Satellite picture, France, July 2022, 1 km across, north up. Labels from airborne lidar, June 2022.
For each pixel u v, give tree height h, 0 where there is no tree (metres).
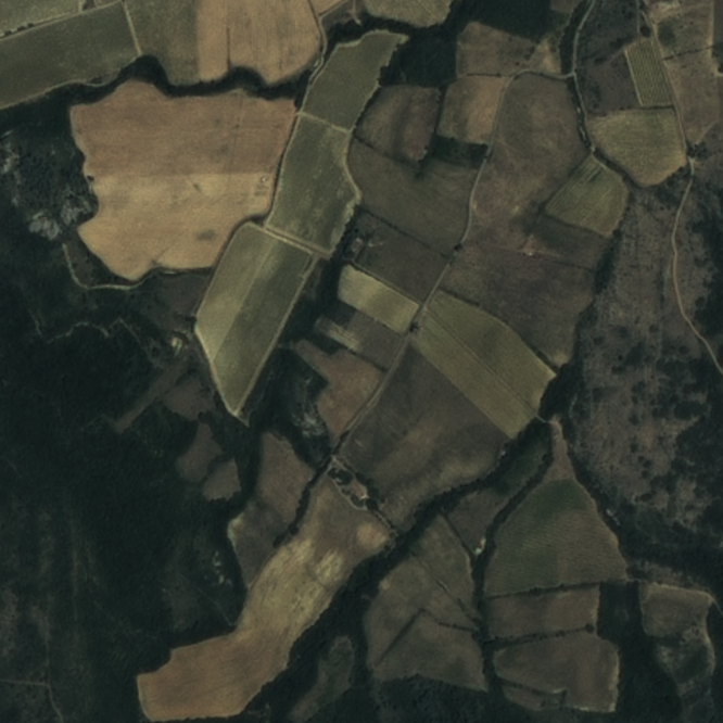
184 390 0
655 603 0
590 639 0
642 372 0
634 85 0
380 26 10
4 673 0
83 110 0
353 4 0
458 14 11
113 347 7
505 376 0
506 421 0
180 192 0
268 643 0
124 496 13
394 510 0
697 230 5
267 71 0
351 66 0
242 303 0
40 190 11
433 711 13
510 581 0
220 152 0
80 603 6
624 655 6
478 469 0
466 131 0
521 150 0
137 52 0
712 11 0
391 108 0
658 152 0
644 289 0
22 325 6
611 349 0
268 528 0
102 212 0
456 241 0
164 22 0
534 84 0
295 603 0
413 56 8
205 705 0
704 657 0
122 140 0
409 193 0
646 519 0
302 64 0
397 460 0
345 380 0
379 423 0
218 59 0
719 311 6
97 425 5
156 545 8
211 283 0
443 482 0
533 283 0
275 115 0
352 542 0
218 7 0
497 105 0
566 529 0
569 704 0
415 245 0
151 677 0
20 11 0
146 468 8
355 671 8
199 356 0
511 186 0
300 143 0
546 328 0
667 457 0
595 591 0
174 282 0
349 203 0
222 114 0
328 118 0
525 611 0
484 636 13
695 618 0
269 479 0
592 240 0
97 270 6
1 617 0
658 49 0
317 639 14
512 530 0
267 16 0
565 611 0
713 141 0
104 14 0
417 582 0
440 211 0
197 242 0
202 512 8
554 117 0
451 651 0
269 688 10
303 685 13
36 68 0
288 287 0
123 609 7
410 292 0
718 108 0
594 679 0
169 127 0
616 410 0
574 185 0
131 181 0
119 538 11
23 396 10
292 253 0
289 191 0
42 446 8
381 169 0
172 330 0
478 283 0
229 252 0
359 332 0
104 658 8
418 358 0
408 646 0
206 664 0
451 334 0
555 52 0
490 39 0
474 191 0
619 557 0
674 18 0
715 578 10
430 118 0
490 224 0
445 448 0
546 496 0
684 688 0
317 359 0
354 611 10
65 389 7
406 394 0
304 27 0
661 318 0
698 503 0
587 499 0
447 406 0
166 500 7
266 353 0
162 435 8
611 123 0
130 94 0
